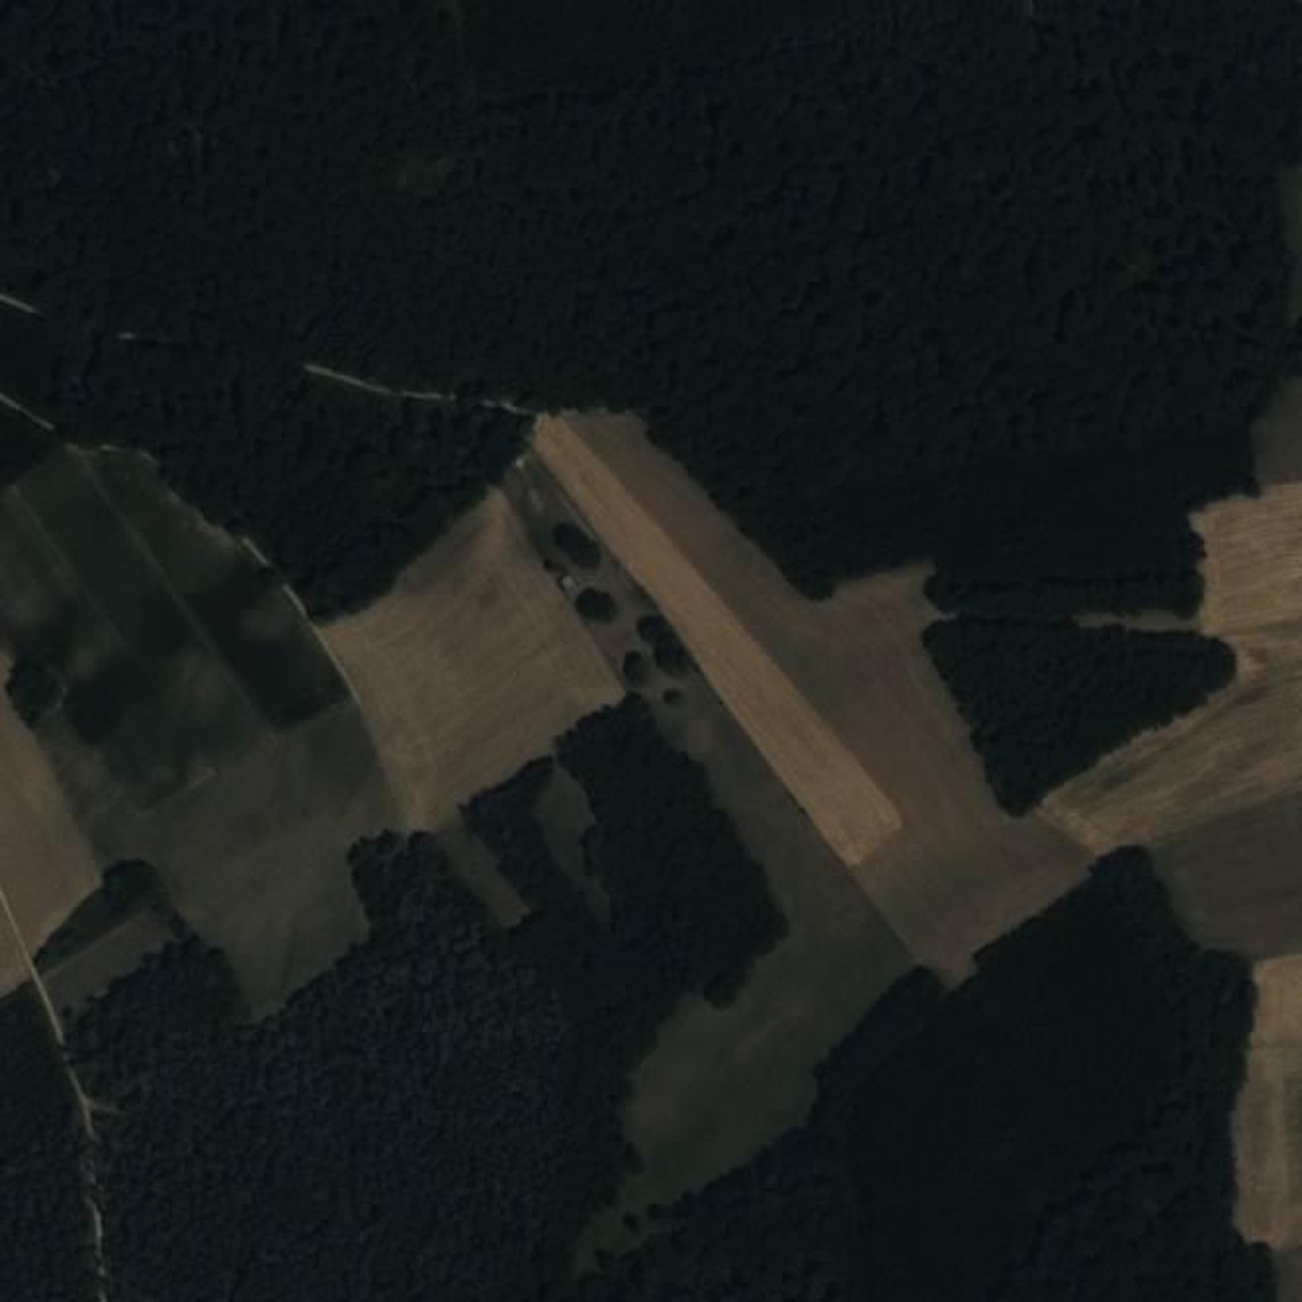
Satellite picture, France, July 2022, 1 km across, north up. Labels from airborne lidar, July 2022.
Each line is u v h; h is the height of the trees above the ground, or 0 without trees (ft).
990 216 83
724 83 91
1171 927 61
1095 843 0
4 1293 61
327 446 95
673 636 67
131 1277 51
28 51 90
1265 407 72
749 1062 0
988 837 0
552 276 73
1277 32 78
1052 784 82
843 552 21
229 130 86
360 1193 65
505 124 60
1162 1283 93
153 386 97
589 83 24
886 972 0
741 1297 81
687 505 0
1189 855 0
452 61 81
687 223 83
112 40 86
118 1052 36
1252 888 0
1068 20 74
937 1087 23
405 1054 65
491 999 67
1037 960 27
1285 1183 0
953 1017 28
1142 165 86
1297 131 99
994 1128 18
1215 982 58
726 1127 0
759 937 86
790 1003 0
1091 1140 19
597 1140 95
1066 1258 92
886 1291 24
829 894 0
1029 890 0
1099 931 26
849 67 87
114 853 0
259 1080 71
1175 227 82
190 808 0
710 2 57
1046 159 97
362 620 0
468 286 66
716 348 85
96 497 0
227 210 84
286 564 54
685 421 83
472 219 62
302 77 91
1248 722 0
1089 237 94
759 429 88
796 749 0
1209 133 92
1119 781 0
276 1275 62
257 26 95
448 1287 58
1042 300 92
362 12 81
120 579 0
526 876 57
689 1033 0
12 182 93
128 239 90
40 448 41
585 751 60
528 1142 88
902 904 0
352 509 27
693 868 78
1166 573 23
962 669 68
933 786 0
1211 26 97
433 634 0
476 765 0
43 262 91
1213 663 66
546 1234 83
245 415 88
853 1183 26
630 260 78
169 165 84
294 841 0
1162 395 75
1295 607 0
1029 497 25
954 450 79
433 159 50
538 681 0
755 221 88
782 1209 107
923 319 95
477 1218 59
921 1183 22
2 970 0
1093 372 96
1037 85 93
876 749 0
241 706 0
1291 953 0
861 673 0
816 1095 0
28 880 0
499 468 64
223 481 88
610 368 93
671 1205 0
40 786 0
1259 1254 51
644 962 63
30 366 20
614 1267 86
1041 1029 22
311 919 0
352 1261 69
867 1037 54
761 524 75
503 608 0
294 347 72
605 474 0
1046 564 29
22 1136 27
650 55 27
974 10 70
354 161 50
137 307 85
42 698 48
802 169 92
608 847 54
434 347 70
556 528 0
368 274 62
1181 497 26
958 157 95
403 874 38
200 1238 68
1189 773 0
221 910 0
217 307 73
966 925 0
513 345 78
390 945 65
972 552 28
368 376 64
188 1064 53
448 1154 65
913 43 81
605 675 0
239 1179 59
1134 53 91
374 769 0
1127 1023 27
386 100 76
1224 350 96
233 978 56
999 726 72
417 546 77
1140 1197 98
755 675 0
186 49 59
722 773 0
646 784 86
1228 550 0
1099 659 62
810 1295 63
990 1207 19
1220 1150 84
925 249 85
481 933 64
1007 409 86
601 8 18
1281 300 81
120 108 88
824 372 88
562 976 65
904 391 85
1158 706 86
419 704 0
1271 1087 0
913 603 0
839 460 90
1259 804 0
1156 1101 20
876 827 0
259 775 0
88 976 0
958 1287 21
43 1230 65
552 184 73
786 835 0
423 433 62
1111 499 29
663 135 91
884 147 94
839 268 90
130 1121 23
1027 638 83
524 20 19
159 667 0
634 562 0
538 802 46
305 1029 20
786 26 53
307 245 81
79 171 92
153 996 69
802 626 0
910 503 26
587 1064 71
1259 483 55
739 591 0
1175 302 75
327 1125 62
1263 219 67
